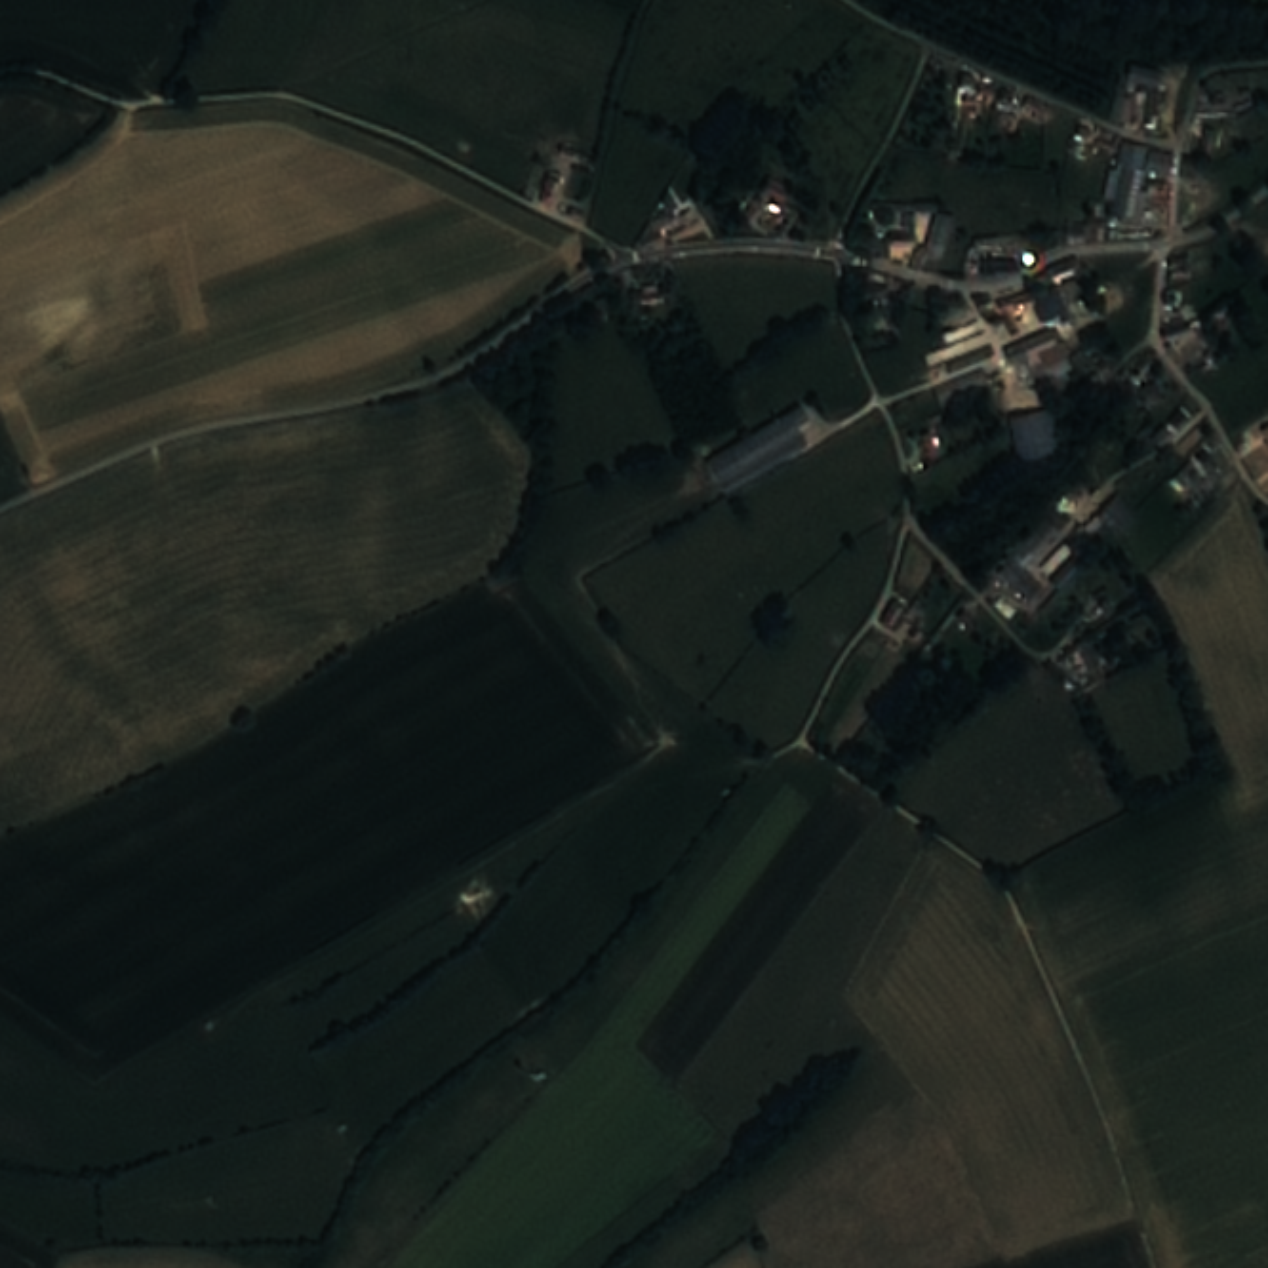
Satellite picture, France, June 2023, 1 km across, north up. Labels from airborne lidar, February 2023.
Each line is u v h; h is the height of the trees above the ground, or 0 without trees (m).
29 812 0
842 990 0
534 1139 0
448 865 0
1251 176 0
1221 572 0
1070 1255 0
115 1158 0
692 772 0
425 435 0
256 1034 0
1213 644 0
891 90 0
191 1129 0
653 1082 0
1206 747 25
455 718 0
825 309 10
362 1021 7
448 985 0
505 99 0
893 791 11
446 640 0
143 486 0
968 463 0
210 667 0
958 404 13
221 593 0
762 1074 0
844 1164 0
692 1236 0
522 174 0
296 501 0
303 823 0
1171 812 0
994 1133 0
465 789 0
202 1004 0
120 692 0
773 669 0
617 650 0
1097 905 0
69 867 0
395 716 0
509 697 0
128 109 0
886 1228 0
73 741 0
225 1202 0
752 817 0
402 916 0
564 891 0
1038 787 0
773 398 0
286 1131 0
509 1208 0
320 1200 0
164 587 0
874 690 0
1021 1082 0
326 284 0
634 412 0
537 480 16
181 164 0
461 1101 0
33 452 0
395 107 0
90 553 0
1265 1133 0
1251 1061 0
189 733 0
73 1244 0
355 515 0
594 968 10
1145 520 0
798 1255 0
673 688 0
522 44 0
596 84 0
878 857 0
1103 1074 0
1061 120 0
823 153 0
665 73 0
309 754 0
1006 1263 0
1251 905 0
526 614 0
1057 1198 0
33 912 0
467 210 0
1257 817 0
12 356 0
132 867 0
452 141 0
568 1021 0
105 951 0
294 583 0
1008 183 0
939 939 0
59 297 0
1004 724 0
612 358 0
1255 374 0
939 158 0
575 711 0
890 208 8
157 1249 0
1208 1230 0
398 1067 0
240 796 0
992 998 0
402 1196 0
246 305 0
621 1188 0
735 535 0
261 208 0
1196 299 0
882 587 0
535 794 0
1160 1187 0
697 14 0
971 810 0
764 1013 0
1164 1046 0
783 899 0
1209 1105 0
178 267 0
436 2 0
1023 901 0
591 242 0
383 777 0
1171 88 0
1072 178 0
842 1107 0
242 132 0
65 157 7
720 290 0
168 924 0
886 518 0
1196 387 0
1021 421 0
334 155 0
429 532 0
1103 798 0
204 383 0
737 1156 8
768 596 0
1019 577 0
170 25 0
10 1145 0
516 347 11
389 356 0
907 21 10
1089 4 31
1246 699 0
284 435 0
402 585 0
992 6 15
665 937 0
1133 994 0
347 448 0
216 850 0
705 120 0
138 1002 0
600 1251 0
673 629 0
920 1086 0
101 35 0
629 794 0
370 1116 0
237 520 0
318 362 0
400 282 0
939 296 12
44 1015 0
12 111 0
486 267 0
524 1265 0
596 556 0
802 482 0
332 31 0
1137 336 0
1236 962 0
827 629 0
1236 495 0
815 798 0
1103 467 0
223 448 0
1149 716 0
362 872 0
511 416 8
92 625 0
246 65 0
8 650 0
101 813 0
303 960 0
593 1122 0
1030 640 0
